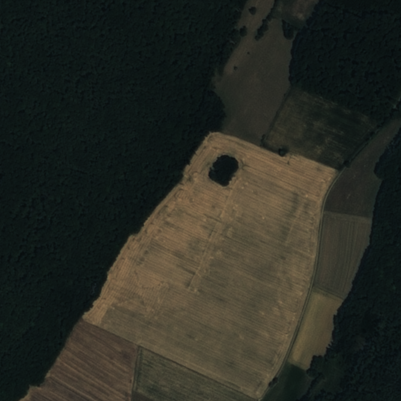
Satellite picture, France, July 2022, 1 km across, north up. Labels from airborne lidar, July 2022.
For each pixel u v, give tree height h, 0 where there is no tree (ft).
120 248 66
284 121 0
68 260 57
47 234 71
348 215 0
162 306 0
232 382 0
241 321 0
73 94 50
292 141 0
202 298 0
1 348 54
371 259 78
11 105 59
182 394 0
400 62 84
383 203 79
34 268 84
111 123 64
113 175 59
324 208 0
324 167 0
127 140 68
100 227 68
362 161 0
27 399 0
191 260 0
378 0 23
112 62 65
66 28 56
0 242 73
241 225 0
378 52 84
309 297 0
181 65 79
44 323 67
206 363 0
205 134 76
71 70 69
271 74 0
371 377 52
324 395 52
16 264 66
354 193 0
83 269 68
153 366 0
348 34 106
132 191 73
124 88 57
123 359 0
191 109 72
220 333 0
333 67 99
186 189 0
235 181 0
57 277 68
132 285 0
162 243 0
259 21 0
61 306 72
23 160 78
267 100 0
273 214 0
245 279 0
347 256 0
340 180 0
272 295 0
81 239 60
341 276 0
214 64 89
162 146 77
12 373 68
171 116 79
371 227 0
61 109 52
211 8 54
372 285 80
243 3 47
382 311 65
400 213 74
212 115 71
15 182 68
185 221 0
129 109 71
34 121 64
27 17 54
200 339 0
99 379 0
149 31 73
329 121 0
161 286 0
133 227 72
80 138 56
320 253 0
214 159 0
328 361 46
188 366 0
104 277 72
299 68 71
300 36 56
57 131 55
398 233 63
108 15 75
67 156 64
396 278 65
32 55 55
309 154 0
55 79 52
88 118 53
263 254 0
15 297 65
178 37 66
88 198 64
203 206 0
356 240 0
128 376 0
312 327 0
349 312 75
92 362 0
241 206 0
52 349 68
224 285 0
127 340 0
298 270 0
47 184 77
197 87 98
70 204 71
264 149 0
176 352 0
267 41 0
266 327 0
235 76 0
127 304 0
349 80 104
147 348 0
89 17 64
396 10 28
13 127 68
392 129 0
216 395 0
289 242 0
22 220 69
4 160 71
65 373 0
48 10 51
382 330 96
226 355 0
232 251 0
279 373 0
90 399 0
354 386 43
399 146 82
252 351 0
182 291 0
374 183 0
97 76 58
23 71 54
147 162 70
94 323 0
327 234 0
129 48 62
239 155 0
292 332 0
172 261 0
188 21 57
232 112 0
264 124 0
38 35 57
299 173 0
